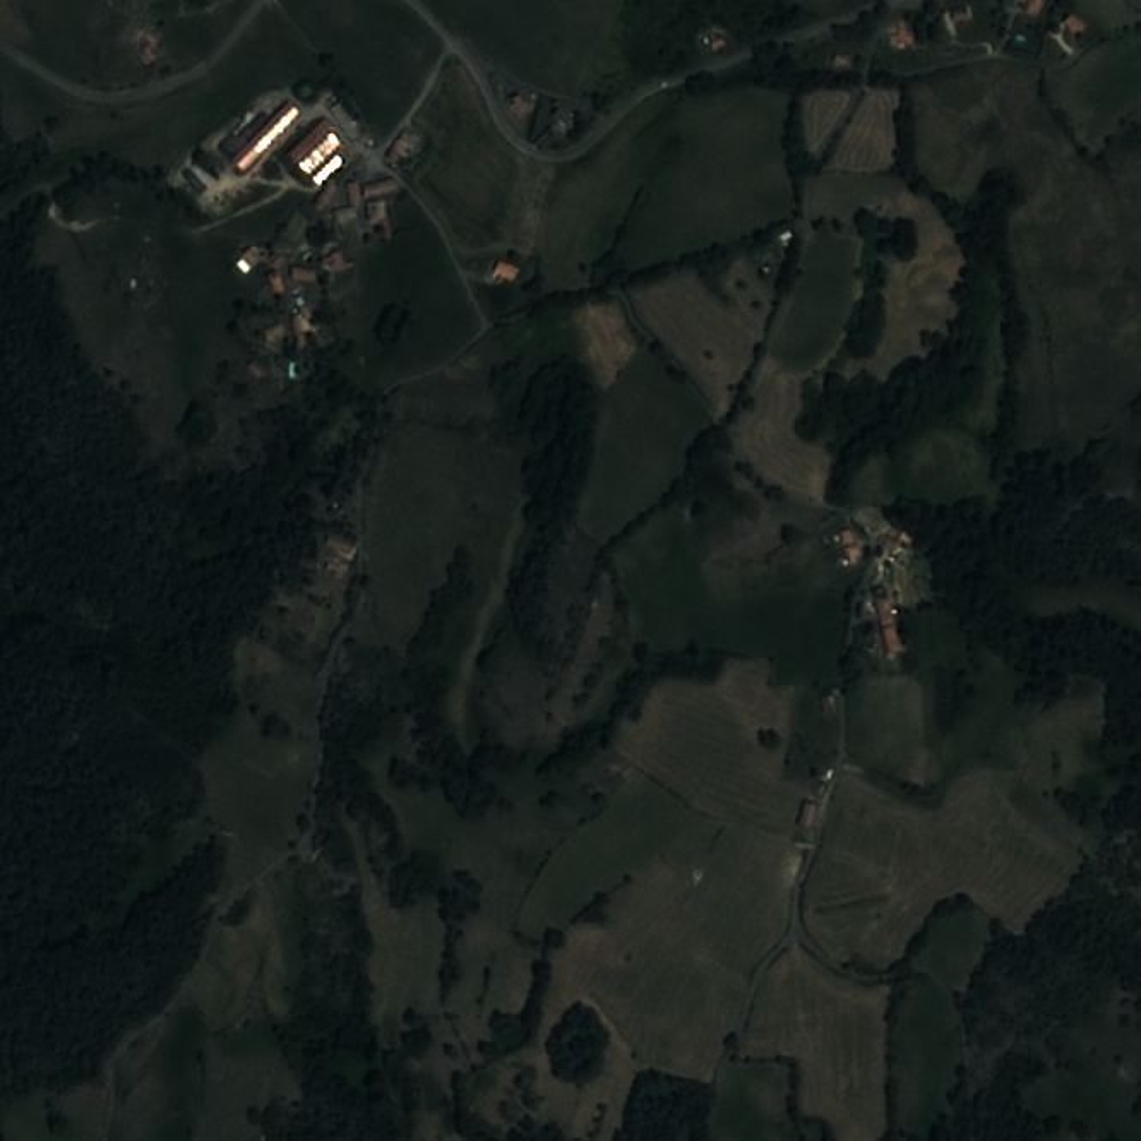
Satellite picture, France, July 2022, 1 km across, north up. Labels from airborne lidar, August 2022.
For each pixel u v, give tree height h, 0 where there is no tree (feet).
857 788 0
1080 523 34
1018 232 0
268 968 0
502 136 0
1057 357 0
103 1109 0
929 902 0
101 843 40
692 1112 30
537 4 0
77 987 40
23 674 67
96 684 51
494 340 0
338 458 34
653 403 0
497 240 0
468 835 0
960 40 0
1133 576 45
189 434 20
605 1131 0
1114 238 0
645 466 0
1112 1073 0
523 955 0
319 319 44
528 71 0
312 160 0
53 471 29
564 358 28
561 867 0
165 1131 0
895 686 0
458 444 0
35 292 35
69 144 0
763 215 0
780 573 0
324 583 0
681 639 0
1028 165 0
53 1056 21
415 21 0
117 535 37
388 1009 0
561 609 0
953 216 78
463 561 35
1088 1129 40
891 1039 25
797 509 0
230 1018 0
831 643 0
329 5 0
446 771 53
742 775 0
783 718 0
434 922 0
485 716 0
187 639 22
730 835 0
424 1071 0
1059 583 33
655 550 0
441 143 0
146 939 32
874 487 0
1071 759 0
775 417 0
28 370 41
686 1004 0
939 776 0
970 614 60
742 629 0
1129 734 46
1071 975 23
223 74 0
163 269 0
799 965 0
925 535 70
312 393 29
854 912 0
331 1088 35
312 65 0
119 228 0
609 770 0
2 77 0
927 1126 0
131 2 0
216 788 0
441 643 19
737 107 0
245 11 0
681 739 0
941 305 0
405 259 0
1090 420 0
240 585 48
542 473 44
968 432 0
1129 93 0
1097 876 39
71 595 42
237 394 22
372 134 0
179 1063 0
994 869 0
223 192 0
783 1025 0
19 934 54
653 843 0
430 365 0
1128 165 0
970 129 0
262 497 56
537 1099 84
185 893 43
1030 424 0
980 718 0
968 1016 23
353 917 43
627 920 0
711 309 0
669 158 0
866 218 54
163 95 0
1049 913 30
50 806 49
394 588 0
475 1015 0
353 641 33
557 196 0
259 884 0
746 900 0
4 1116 0
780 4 29
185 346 0
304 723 0
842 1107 0
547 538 28
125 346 0
